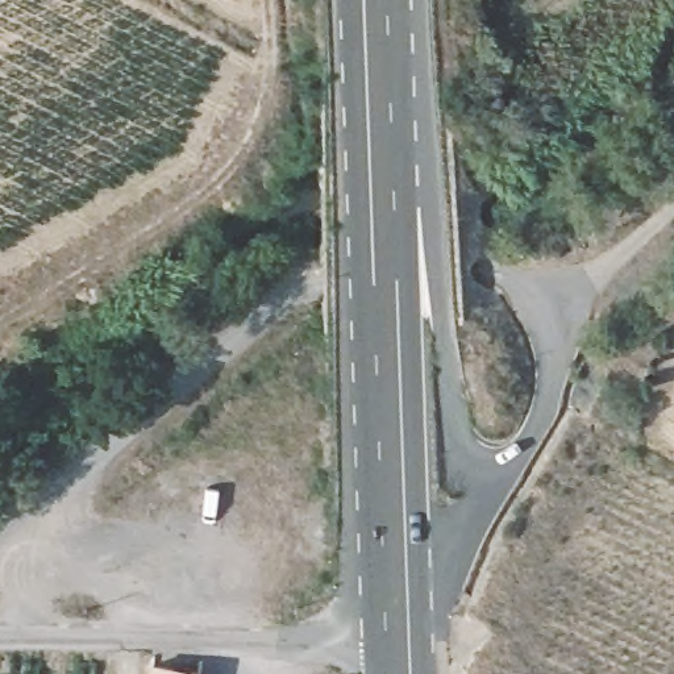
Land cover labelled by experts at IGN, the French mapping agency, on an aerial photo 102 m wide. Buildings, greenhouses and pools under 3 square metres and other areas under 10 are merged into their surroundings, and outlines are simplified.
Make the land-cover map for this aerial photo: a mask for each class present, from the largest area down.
<instances>
[{"label":"deciduous trees","instance_id":"1","mask_svg":"<svg viewBox=\"0 0 674 674\"><path fill-rule=\"evenodd\" d=\"M303 8L305 18L303 24L279 32V118L263 124L261 134L253 142V150L247 153L245 166L237 169L229 179V184L242 195V205L234 213H226L221 208H205V213L184 224L161 253H140V269H134L126 279L113 276L111 290L97 295V303L68 300L61 326H39L24 332L18 353L11 361H0V653L63 650L82 653L87 658H100L105 661V666H111L121 653L147 656L155 661L158 653L166 658L224 656L237 658V674H366L363 619L345 600L334 598L324 606V611L292 627H276L263 613L258 571L261 561L240 540L237 527H229L216 513L203 516V511L187 516L182 511H166L155 521L103 516L95 511V492L103 482V471L124 450H132L124 434L145 429L171 405H192L195 413L182 429L169 432L163 440H155L150 445L153 455H163V450L171 448V455L184 461L190 455V442L200 434V429L211 424V419L221 413L224 403L245 398L253 384L274 382L282 374L295 376L311 392L316 416L321 421L334 424V342L329 329H321V300H313L311 305L295 308L292 313H282L274 326L250 334L253 345L234 363L219 361L221 329L242 324L245 316L258 305H274L284 298H298L305 287V269L316 263L321 245L319 116L321 108L334 103L337 82V71H329V61L319 58L316 50L313 8L319 0H295ZM440 132L453 129L455 134L453 153L463 319L474 321L482 332L490 334L492 342L503 345V363L519 374L508 395L534 398L537 361L529 345V332L519 321L511 300L495 292L492 274L495 263H524L529 255H566L574 247L587 250V234H598L606 250L619 245L640 224H645L661 205H674V0H432ZM674 313V255L656 274L645 276V290L640 295L624 303H613L603 319L590 316L582 326L584 340H579V353L584 355V350H595L598 355L613 358L642 345H653L658 350L669 340L658 332V321ZM600 398L616 413L629 400L619 384H606ZM311 479L308 490L324 503V521L334 524L337 463L324 469V450L319 442L311 450V463H305Z\"/></svg>","mask_w":674,"mask_h":674},{"label":"impervious surface","instance_id":"2","mask_svg":"<svg viewBox=\"0 0 674 674\"><path fill-rule=\"evenodd\" d=\"M329 61V71H337V82L334 103L321 108L319 116L321 245L316 263L319 269H326V274L334 279V311L321 313V329H329L334 342H340L342 355L340 398L345 492L340 577L332 582L334 598L345 600L363 619L366 674H450V663L455 658L450 616L461 600V582L469 569V561L477 553L479 540L495 519L498 508H511L513 500L508 498L519 487L527 463L532 458L540 461L545 445L558 429L561 419L566 416L571 387H566V379L579 353V340H584L582 326L590 316L592 298L600 290L587 276L584 266L571 276H537L524 263H495L492 274L495 292L511 300L519 321L529 332V345L537 361L534 398L508 395L519 374L503 363V345L492 342L490 334L482 332L474 321L463 319L453 153L455 134L453 129L440 132L432 0H324ZM279 34L261 37L255 55H242L234 50L221 58L216 82L203 95L195 126L190 129L179 155L158 161V166L147 174H132L121 187L100 190L82 208L53 216L47 224H37L29 237L18 240L8 250H0V361H11L18 353L24 332L39 326H61L68 300L97 303V295L111 290L113 276L126 279L134 269H140V253H161L184 224L205 213V208H221L226 213H234L242 205V195L229 184V179L237 169L245 166L247 153L253 150V142L261 134L263 124L279 118ZM155 666L182 674H237V658L224 656L166 658L158 653L155 661Z\"/></svg>","mask_w":674,"mask_h":674},{"label":"vineyard","instance_id":"3","mask_svg":"<svg viewBox=\"0 0 674 674\"><path fill-rule=\"evenodd\" d=\"M261 37H255L247 26L226 18L224 13L211 11L205 3L197 0H0V250H8L18 240L29 237L37 224H47L53 216L82 208L100 190L121 187L132 174H147L158 166V161L179 155L190 129L195 126L203 95L216 82L221 58L234 50L242 55H255ZM658 332L669 340L658 350L653 345H642L613 358L598 355L595 350H584V355L579 353L566 379V387H571L566 416L561 419L558 429L545 445L540 461L532 458L527 463L519 487L508 498L513 500L511 508H498L495 519L479 540L477 553L469 561V569L461 582V600L450 616L455 658L450 663V674H674V313L658 321ZM606 384H619L629 400L616 413L600 398ZM0 674H105V661L100 658H87L82 653L63 650L0 653Z\"/></svg>","mask_w":674,"mask_h":674},{"label":"herbaceous vegetation","instance_id":"4","mask_svg":"<svg viewBox=\"0 0 674 674\"><path fill-rule=\"evenodd\" d=\"M305 18L303 8L295 0H276L279 32L303 24ZM316 50L319 58L329 61L324 0H319L313 8ZM674 255V221L661 234H656L640 253H635L600 290L592 298L590 316L603 319L613 303H624L640 295L645 290V276L656 274ZM587 250L574 247L566 255H529L524 263L537 276H571L584 266L587 261L600 258L606 250L598 234H587ZM313 300H321V313L334 311V279L326 274V269H319L316 263L305 269V287L298 298H284L274 305H258L245 316L242 324L221 329L219 361L234 363L253 345L250 334L274 326L282 313H292L295 308L311 305ZM334 424L321 421L316 416L311 392L295 376L282 374L274 382L253 384L245 398L224 403L221 413L211 419V424L200 429V434L190 442V455L184 461L171 455V448L163 450V455H153L150 445L155 440H163L169 432L182 429L195 413L192 405H171L145 429L124 434L132 450H124L103 471V482L95 492V511L103 516L155 521L166 511H182L187 516L203 511V516L216 513L229 527H237L240 540L261 561L258 571L263 613L276 627H292L324 611V606L334 598L332 582L340 577L345 492L340 398L342 355L340 342H334ZM319 442L324 450V469L337 463L334 524L324 521V503L308 490L311 479L305 463H311V450Z\"/></svg>","mask_w":674,"mask_h":674},{"label":"pervious surface","instance_id":"5","mask_svg":"<svg viewBox=\"0 0 674 674\"><path fill-rule=\"evenodd\" d=\"M205 3L211 11L224 13L226 18L247 26L255 37H261L279 34V32L276 0H197ZM674 221V205H661L645 224H640L619 245L606 250L600 258L587 261L584 266L587 276L600 290L635 253H640L656 234H661ZM155 666V661L147 656L121 653L111 666H105V674H147Z\"/></svg>","mask_w":674,"mask_h":674},{"label":"building","instance_id":"6","mask_svg":"<svg viewBox=\"0 0 674 674\"><path fill-rule=\"evenodd\" d=\"M147 674H182L155 666Z\"/></svg>","mask_w":674,"mask_h":674}]
</instances>
